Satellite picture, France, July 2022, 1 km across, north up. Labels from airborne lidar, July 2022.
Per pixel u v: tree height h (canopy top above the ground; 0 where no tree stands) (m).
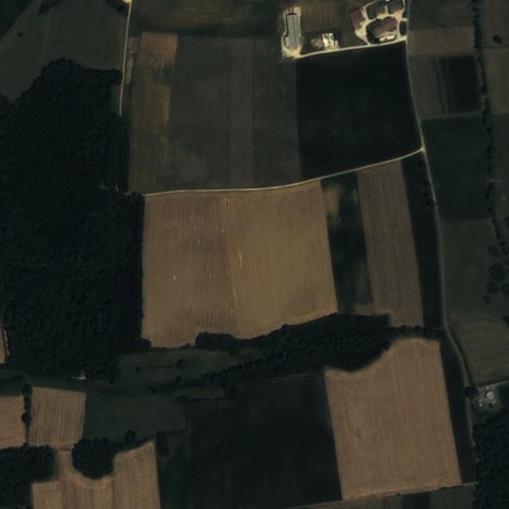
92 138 17
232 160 0
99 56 0
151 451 0
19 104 15
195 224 0
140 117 0
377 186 0
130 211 10
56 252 19
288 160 0
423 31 0
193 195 0
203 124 0
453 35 0
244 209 0
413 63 0
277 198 0
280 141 0
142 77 0
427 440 0
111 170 19
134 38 0
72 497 0
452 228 0
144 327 0
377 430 0
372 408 0
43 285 25
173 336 0
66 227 13
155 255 0
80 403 0
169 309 0
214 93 0
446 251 0
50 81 13
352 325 13
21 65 0
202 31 0
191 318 0
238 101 0
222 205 0
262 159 0
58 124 14
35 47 0
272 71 0
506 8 0
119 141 14
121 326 21
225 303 0
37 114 15
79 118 13
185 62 0
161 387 0
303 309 0
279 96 0
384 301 0
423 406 0
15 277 23
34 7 0
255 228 0
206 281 0
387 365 0
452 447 0
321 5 0
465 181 0
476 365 0
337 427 0
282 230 0
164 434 13
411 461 0
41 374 14
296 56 0
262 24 0
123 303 23
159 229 0
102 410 0
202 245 0
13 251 31
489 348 0
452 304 0
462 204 0
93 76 20
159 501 0
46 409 0
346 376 0
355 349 23
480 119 0
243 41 0
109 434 0
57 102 17
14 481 23
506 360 0
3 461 22
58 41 0
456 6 0
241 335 0
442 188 0
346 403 0
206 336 10
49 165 16
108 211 21
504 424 24
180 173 0
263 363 19
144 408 0
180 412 0
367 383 0
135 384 0
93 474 18
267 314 0
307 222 0
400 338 0
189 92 0
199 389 0
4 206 25
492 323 0
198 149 0
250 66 0
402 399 0
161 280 0
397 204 0
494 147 9
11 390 0
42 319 24
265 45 0
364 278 0
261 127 0
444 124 0
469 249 0
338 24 0
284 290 0
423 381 0
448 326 0
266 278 0
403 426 0
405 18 0
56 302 25
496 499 31
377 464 0
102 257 27
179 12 0
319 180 0
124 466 0
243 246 0
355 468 0
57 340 26
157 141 0
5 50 0
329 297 0
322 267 0
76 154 21
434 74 0
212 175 0
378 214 0
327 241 0
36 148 17
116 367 18
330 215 0
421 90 0
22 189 16
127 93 0
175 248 0
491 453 26
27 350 21
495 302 0
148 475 0
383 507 0
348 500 0
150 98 0
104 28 0
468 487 0
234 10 0
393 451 0
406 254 0
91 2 0
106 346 24
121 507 0
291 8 0
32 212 17
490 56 0
